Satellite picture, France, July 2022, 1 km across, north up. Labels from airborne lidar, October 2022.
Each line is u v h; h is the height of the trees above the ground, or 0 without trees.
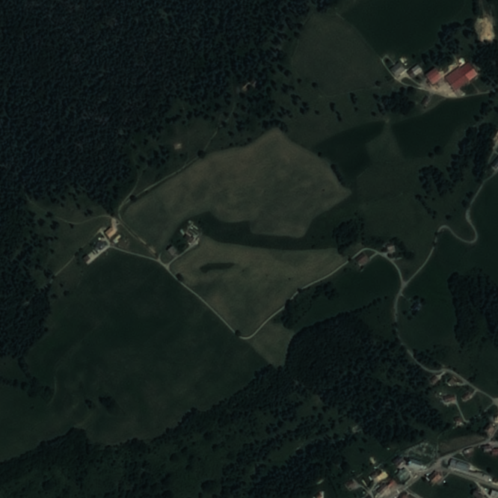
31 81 22
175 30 27
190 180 0
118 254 0
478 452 0
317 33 0
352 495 0
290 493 22
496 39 0
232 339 0
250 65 26
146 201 0
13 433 0
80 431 9
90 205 0
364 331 22
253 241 0
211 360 0
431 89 0
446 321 0
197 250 0
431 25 0
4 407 0
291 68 0
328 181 0
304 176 0
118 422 0
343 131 0
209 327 0
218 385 0
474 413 0
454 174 15
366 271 0
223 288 0
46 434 0
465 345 21
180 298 0
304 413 0
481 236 0
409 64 0
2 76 18
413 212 0
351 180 0
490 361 0
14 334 9
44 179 25
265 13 26
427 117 0
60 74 25
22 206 29
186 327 0
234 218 0
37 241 13
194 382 0
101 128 22
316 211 0
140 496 6
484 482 0
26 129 23
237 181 0
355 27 0
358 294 0
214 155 0
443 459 0
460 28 27
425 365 17
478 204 0
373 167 0
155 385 0
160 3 21
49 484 14
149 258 0
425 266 0
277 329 0
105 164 21
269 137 0
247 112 19
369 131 0
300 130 0
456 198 0
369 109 0
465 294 26
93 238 0
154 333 0
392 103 20
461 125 0
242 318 0
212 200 0
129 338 0
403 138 0
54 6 13
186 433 11
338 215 0
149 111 22
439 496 0
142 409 0
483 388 0
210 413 9
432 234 0
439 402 0
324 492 0
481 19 0
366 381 24
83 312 0
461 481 0
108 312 0
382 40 0
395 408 27
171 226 0
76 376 0
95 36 25
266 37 24
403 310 0
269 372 24
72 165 22
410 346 0
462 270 0
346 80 0
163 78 23
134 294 0
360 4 0
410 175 0
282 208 0
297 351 25
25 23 20
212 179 0
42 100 18
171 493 13
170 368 0
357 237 7
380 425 13
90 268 0
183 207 0
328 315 0
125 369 0
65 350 0
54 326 0
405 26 0
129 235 0
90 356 0
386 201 0
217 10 29
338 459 27
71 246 0
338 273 0
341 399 27
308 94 0
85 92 24
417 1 0
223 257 0
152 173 0
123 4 22
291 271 0
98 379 0
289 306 16
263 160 0
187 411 0
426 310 0
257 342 0
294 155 0
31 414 0
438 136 0
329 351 24
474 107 0
